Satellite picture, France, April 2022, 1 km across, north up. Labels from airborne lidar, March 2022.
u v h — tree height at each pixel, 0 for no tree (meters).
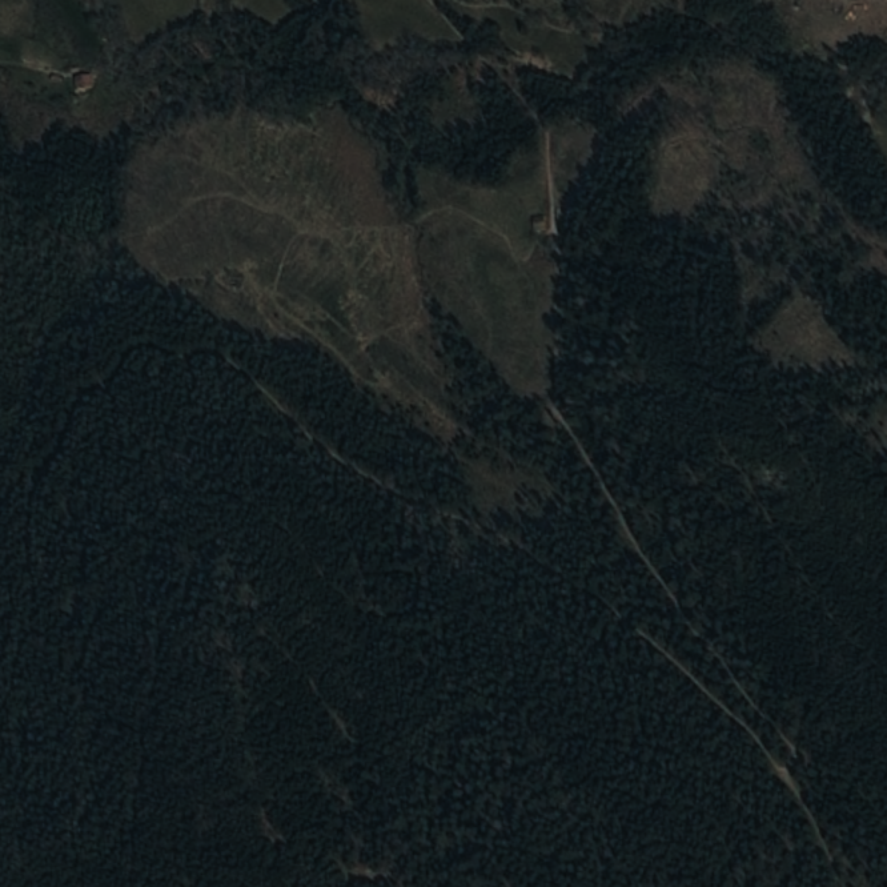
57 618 22
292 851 17
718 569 13
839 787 26
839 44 0
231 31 29
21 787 18
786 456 7
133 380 25
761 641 16
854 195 26
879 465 9
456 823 35
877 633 14
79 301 12
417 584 28
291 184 0
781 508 17
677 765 29
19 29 0
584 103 24
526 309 0
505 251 0
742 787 28
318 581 20
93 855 13
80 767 29
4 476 25
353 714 26
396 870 29
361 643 25
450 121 0
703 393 17
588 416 8
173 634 18
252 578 21
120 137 9
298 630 28
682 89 0
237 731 23
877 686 26
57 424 28
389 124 28
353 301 0
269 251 0
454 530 20
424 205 30
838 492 8
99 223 16
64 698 30
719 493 15
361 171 0
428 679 20
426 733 24
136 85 22
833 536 7
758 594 13
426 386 0
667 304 12
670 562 14
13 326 17
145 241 0
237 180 0
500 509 0
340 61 30
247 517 19
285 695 11
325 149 0
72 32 13
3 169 14
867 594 12
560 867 21
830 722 26
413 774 20
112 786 14
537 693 18
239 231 0
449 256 0
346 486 27
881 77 11
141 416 28
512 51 8
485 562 24
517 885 31
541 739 25
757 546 13
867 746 24
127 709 22
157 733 21
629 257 9
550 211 0
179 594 21
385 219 0
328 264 0
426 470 20
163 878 25
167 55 32
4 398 16
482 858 31
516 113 30
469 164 29
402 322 0
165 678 20
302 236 0
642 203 15
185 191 0
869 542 7
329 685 23
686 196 0
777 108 0
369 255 0
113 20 14
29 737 8
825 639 15
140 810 23
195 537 27
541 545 31
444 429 0
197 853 20
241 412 27
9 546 27
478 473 0
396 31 0
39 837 27
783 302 13
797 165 0
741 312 26
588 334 9
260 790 22
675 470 20
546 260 0
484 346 0
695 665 20
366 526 23
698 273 26
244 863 22
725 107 0
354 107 28
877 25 0
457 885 29
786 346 0
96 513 20
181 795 24
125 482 25
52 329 15
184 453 27
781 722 10
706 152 0
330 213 0
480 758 34
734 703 35
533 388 0
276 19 0
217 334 32
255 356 31
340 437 28
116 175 16
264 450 23
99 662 17
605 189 30
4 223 18
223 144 0
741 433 18
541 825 33
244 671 22
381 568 23
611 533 29
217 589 14
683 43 23
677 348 19
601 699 30
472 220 0
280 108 15
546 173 0
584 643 33
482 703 29
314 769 20
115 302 25
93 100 0
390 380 0
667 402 9
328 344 0
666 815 26
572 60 0
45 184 23
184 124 26
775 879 26
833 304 32
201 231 0
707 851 15
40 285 19
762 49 20
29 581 33
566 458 7
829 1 0
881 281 9
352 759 18
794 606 9
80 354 20
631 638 33
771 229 18
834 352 0
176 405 29
